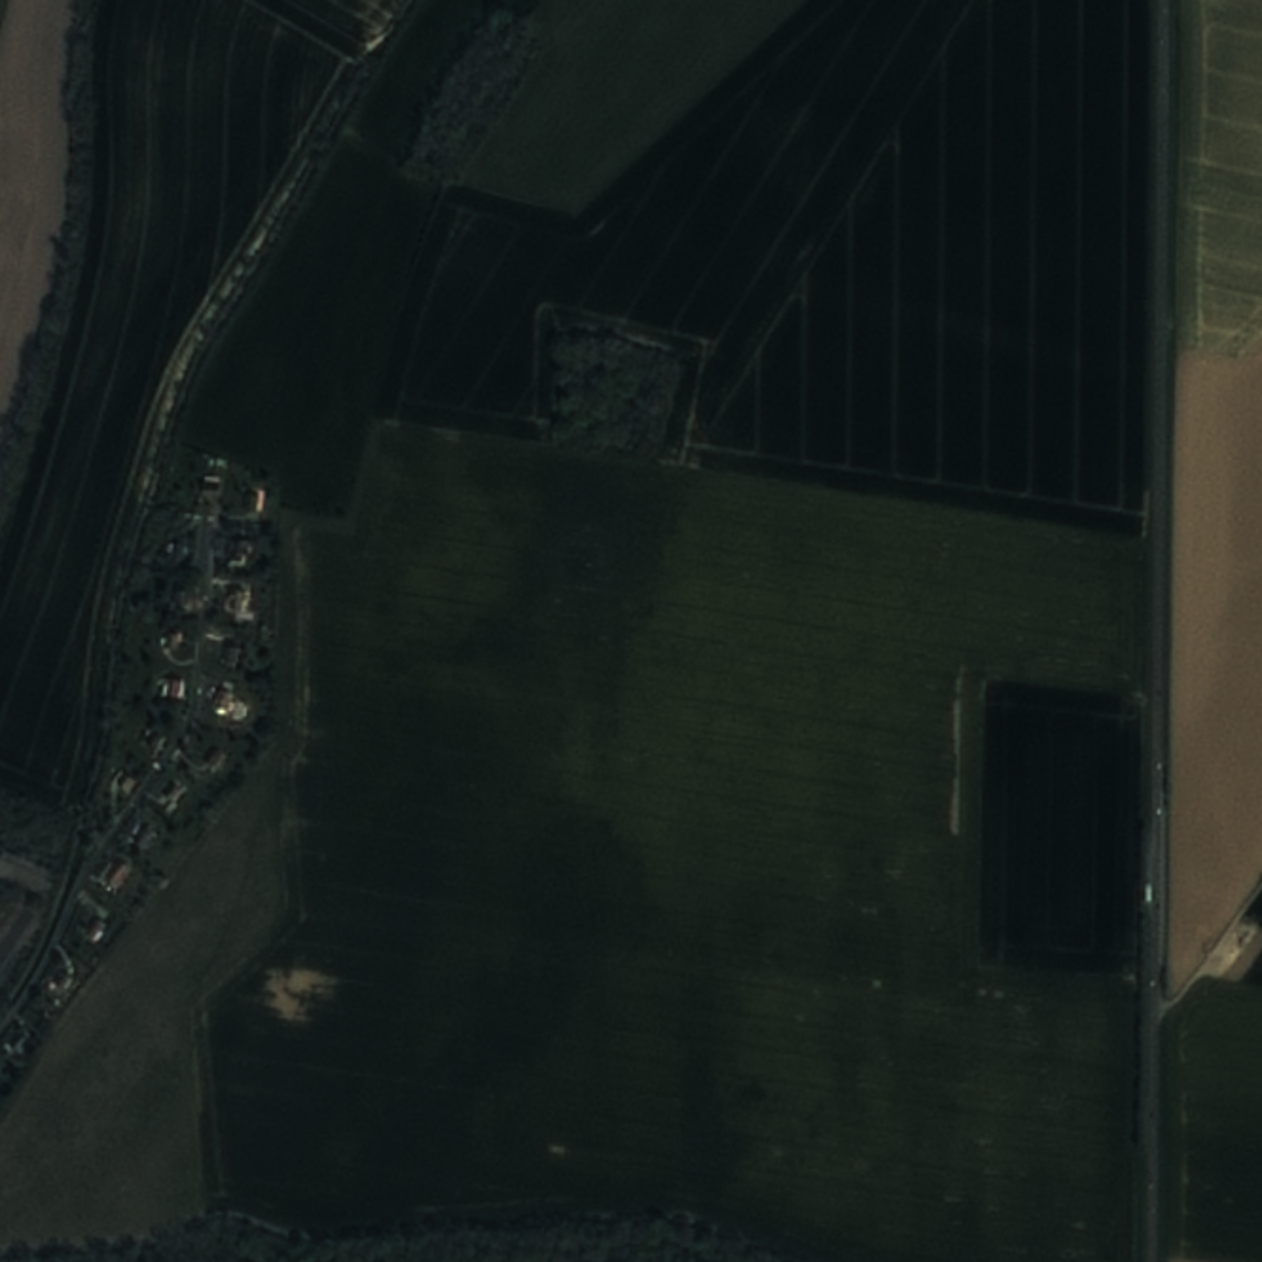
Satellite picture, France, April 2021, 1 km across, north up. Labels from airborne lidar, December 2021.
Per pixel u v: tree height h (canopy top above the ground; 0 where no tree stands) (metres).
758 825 0
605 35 0
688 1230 18
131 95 0
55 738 0
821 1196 0
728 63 0
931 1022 0
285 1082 0
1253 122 0
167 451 12
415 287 0
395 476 0
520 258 0
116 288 0
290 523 0
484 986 0
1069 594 0
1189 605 0
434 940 0
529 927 0
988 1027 0
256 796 0
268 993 0
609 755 0
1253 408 0
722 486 0
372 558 0
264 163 0
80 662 0
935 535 0
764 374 0
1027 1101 0
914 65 0
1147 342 0
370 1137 0
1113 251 0
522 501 0
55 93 0
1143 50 0
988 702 0
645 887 0
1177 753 0
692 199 0
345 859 0
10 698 0
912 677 0
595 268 0
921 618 0
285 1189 0
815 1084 0
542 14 0
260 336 0
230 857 0
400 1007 0
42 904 16
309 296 0
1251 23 0
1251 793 0
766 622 0
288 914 0
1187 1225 0
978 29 0
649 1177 0
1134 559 0
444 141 15
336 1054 0
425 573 0
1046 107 0
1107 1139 0
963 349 0
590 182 0
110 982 0
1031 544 0
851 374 0
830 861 0
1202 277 0
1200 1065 0
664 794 0
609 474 0
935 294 0
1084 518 0
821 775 0
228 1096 0
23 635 0
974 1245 0
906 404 0
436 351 0
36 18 0
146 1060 0
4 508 23
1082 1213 0
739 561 0
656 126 0
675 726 0
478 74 19
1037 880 0
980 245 0
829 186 0
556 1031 0
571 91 0
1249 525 0
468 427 0
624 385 20
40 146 0
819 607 0
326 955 0
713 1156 0
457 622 0
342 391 0
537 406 0
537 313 0
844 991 0
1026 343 0
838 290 0
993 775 0
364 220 0
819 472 0
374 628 0
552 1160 0
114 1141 0
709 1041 0
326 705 0
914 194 0
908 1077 0
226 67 0
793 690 0
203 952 0
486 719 0
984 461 0
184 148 0
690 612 0
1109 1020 0
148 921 0
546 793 0
